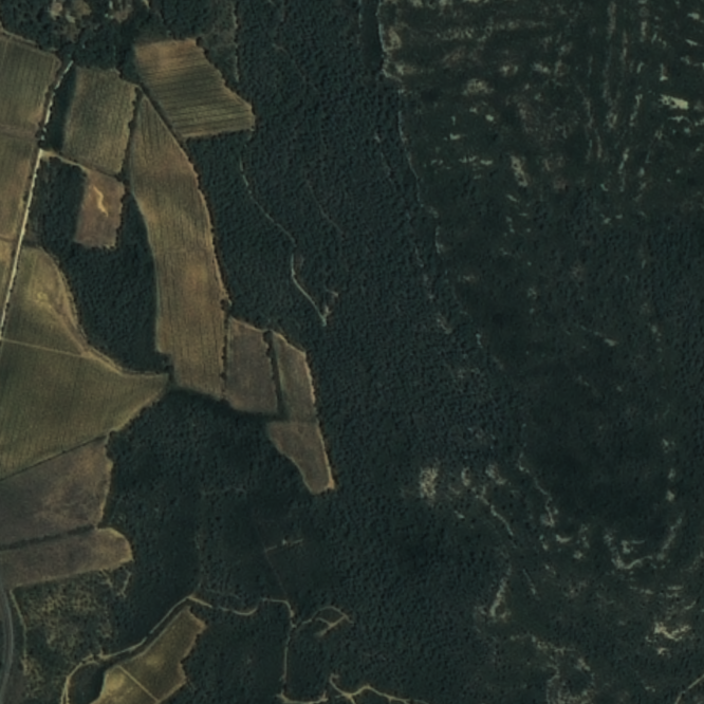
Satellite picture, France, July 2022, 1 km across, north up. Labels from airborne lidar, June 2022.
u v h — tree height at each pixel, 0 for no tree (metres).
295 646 11
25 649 0
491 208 9
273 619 10
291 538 11
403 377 10
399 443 13
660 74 0
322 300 7
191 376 0
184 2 11
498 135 10
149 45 0
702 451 10
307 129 12
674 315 12
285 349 0
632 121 0
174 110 0
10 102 0
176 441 10
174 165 0
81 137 0
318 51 11
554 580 0
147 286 11
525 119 0
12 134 0
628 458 6
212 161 10
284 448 0
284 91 12
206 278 0
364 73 7
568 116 0
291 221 10
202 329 0
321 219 8
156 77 0
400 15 0
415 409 10
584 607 0
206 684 10
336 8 10
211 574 9
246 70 8
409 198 11
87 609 0
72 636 0
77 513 0
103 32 14
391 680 12
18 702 0
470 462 6
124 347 6
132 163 0
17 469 0
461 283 6
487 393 9
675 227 8
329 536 9
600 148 0
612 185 0
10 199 0
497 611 0
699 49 0
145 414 10
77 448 0
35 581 0
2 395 0
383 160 11
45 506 0
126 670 0
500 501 0
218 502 10
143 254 17
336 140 10
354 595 9
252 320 11
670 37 0
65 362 0
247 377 0
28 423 0
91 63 16
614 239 9
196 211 0
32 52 0
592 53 0
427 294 9
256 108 13
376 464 10
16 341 0
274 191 8
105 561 0
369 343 8
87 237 0
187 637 0
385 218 11
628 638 8
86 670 0
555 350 9
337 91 9
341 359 8
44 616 0
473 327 6
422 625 12
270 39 9
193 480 6
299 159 13
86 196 0
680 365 6
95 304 9
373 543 13
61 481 0
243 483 10
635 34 0
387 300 9
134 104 9
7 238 0
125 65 19
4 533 0
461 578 8
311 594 11
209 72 0
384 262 13
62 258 6
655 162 0
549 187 8
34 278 0
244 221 10
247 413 6
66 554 0
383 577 11
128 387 0
